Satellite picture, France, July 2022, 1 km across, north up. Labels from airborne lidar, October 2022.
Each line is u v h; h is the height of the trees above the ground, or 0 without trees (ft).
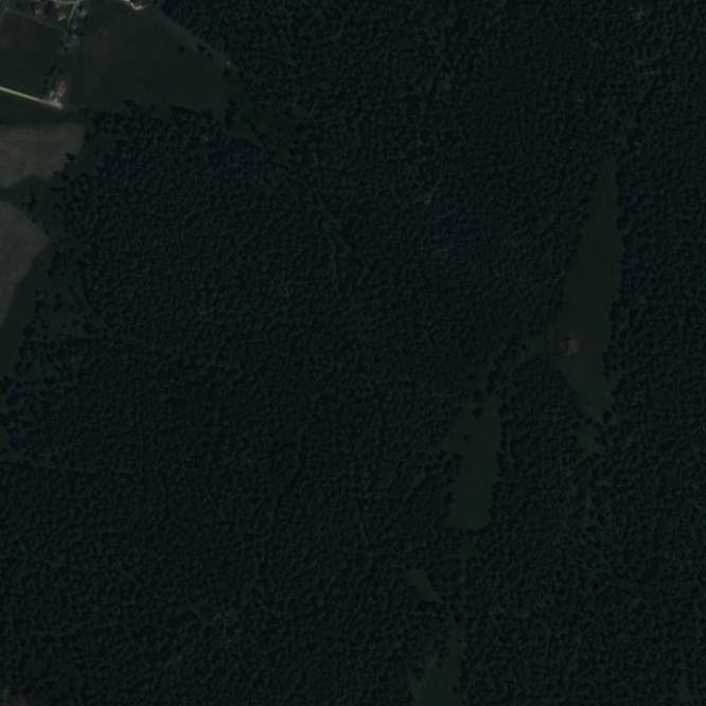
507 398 34
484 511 0
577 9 92
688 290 79
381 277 94
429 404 94
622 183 48
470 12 87
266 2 105
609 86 68
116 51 0
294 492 86
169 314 78
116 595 71
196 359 57
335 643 112
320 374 92
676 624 59
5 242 0
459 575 76
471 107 94
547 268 56
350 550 75
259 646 80
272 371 75
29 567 90
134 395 73
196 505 84
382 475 124
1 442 0
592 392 0
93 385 99
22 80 0
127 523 80
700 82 93
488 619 78
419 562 55
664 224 90
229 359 69
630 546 87
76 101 0
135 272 102
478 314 87
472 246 103
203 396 91
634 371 34
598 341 0
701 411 73
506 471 64
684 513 88
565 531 72
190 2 101
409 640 73
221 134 83
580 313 0
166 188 105
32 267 0
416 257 88
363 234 51
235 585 73
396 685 69
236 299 128
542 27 95
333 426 54
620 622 90
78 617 89
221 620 94
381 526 58
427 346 115
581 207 79
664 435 78
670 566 72
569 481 71
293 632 90
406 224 94
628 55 88
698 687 47
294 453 66
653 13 38
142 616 62
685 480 78
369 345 120
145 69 0
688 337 85
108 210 119
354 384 95
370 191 124
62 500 79
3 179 0
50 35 0
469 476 0
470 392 68
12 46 0
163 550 84
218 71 0
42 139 0
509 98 108
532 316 72
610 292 0
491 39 106
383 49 85
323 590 99
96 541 70
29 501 67
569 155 31
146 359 68
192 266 91
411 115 88
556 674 65
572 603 34
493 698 66
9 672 86
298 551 92
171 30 0
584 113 73
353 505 85
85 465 84
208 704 91
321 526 101
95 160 0
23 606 45
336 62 70
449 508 64
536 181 64
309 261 98
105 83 0
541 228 84
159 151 104
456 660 0
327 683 110
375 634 33
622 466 78
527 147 95
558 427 59
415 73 94
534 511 85
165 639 113
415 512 64
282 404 68
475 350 80
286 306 104
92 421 100
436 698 0
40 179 0
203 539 81
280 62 38
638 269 52
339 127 117
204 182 111
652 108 72
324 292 117
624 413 24
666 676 68
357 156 91
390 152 90
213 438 66
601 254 0
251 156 135
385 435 109
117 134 63
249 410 74
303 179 34
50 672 31
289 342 65
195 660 105
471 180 81
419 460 66
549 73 94
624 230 54
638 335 51
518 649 79
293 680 95
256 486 72
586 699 31
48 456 78
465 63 42
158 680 82
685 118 97
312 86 69
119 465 75
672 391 82
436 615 21
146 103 0
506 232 109
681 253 73
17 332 0
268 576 69
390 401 85
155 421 69
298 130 29
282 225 107
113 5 0
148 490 75
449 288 77
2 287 0
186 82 0
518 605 66
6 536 94
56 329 0
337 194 118
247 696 79
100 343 50
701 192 67
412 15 102
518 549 71
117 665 79
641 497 80
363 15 67
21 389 39
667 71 107
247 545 58
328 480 64
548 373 39
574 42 88
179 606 99
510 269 108
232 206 96
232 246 107
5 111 0
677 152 91
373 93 118
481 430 0
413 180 142
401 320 62
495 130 93
